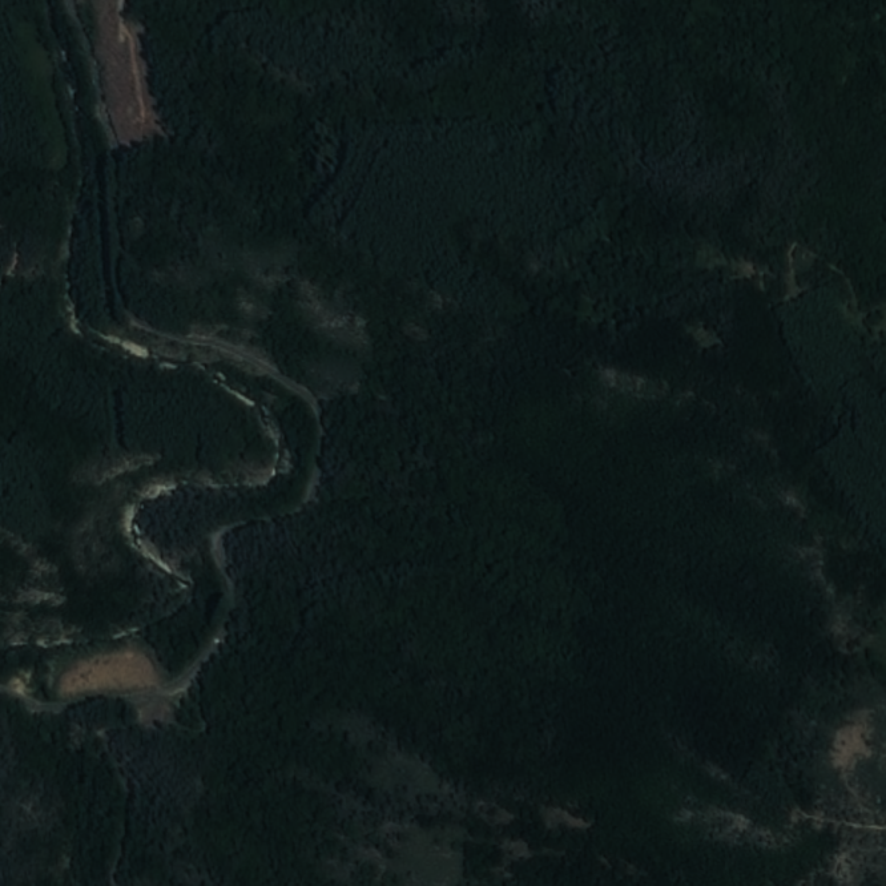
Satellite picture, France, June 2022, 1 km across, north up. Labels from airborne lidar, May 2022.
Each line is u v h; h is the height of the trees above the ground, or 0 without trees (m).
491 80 23
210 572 16
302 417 20
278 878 18
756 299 15
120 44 0
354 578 22
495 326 6
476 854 14
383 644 16
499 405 17
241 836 20
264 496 20
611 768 15
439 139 36
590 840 9
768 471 6
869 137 14
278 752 17
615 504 19
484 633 21
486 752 17
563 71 33
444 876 0
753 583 15
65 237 7
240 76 13
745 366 15
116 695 0
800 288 9
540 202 32
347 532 24
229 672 17
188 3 19
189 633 10
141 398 32
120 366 14
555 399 17
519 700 20
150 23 16
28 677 0
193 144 33
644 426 9
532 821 8
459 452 15
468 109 24
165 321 32
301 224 6
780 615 17
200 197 10
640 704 19
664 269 13
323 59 28
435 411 18
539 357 11
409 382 22
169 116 27
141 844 15
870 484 38
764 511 7
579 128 22
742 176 22
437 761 13
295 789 16
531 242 12
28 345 35
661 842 15
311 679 17
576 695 24
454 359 16
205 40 16
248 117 12
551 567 26
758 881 10
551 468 21
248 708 11
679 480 8
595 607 25
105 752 6
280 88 18
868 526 28
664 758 12
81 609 8
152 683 0
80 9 10
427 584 26
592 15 10
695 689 18
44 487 19
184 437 32
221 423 31
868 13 9
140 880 16
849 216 17
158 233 15
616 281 10
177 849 6
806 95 16
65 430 22
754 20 7
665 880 14
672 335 18
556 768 18
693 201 13
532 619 29
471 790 14
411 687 18
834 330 25
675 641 15
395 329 13
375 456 16
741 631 10
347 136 30
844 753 0
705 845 10
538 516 24
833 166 18
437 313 10
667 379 10
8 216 20
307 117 19
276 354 12
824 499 14
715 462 6
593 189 27
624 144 25
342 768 17
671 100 9
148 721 0
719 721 20
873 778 0
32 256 22
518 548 25
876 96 10
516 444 16
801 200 20
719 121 14
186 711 18
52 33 14
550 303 13
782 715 8
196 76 14
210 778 17
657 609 16
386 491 20
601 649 25
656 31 11
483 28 20
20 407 16
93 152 14
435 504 12
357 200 28
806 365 23
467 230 8
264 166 21
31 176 18
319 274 9
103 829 21
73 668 0
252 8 12
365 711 10
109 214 29
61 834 22
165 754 24
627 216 19
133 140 0
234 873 19
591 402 15
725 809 9
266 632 16
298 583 25
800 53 10
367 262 10
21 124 36
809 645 15
